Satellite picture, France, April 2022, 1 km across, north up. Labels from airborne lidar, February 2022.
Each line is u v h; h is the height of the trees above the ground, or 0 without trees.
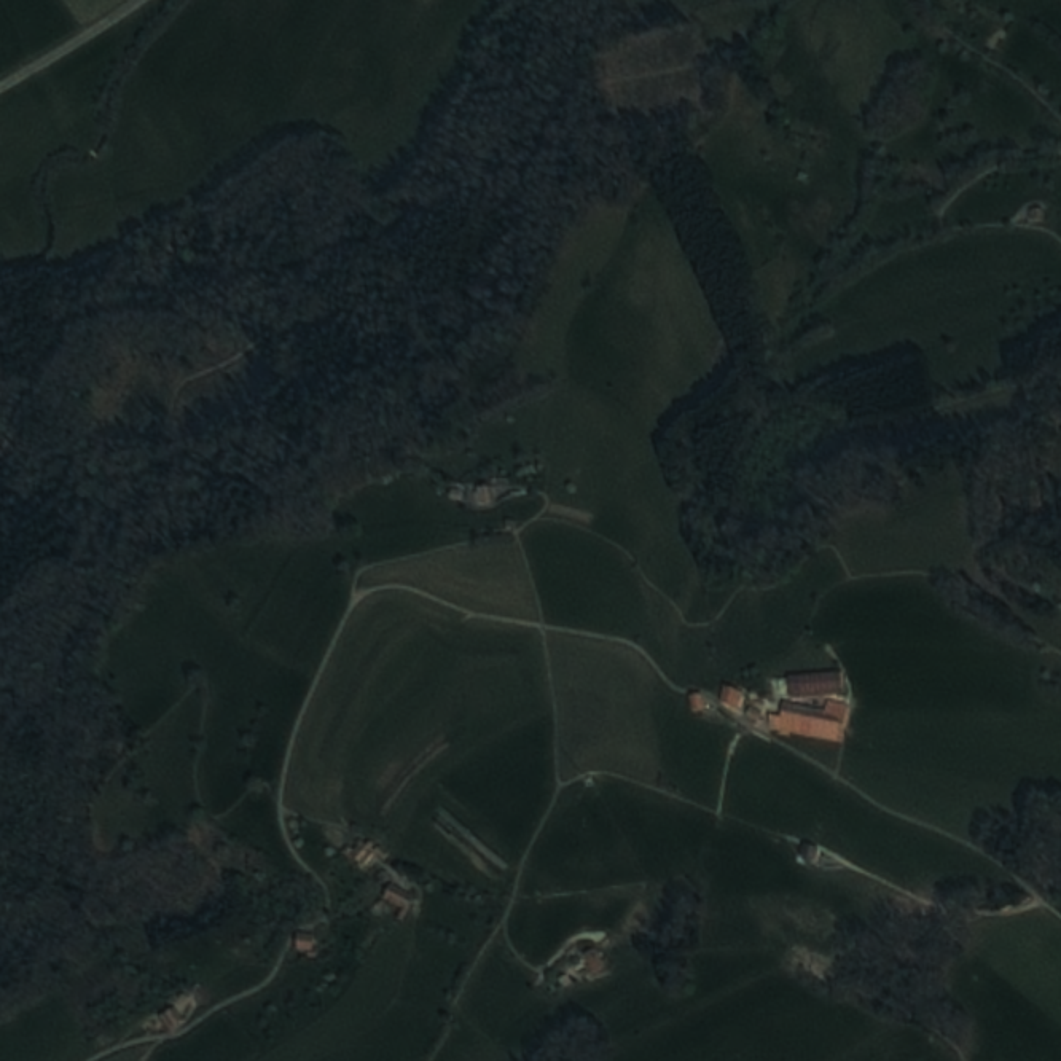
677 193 34
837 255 11
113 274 28
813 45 0
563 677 0
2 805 25
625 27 26
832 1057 0
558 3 31
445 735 0
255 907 13
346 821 0
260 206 31
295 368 22
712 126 16
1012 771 0
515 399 13
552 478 0
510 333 31
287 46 0
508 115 32
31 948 37
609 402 0
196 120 0
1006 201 0
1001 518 24
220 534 25
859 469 35
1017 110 0
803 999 0
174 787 0
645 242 0
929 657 0
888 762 0
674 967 23
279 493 28
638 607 0
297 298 29
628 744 0
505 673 0
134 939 20
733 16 0
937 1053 0
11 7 0
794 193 0
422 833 0
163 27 17
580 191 27
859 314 0
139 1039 0
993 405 0
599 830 0
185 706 0
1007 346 0
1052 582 14
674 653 0
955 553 0
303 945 0
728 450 33
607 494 0
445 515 0
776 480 9
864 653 0
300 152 30
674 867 0
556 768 0
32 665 33
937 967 28
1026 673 0
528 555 0
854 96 0
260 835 0
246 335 34
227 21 0
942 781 0
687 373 0
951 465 30
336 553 0
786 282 0
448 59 0
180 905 28
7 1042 0
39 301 26
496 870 0
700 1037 0
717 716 0
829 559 0
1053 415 28
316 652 0
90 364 31
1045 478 29
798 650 0
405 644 0
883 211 0
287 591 0
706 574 24
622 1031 0
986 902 30
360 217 31
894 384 19
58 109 0
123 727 18
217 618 0
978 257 0
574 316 0
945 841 0
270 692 0
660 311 0
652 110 0
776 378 25
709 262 28
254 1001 0
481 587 0
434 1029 0
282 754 0
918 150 0
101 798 14
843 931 0
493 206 30
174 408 0
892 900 0
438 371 42
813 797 0
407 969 0
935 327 0
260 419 34
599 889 0
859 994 25
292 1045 0
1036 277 0
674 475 24
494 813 0
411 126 0
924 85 21
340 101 0
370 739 0
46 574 34
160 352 33
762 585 14
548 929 0
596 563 0
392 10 0
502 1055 0
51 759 30
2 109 0
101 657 23
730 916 0
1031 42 0
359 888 10
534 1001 0
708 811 0
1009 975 0
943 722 0
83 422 30
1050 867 29
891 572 0
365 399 29
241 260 28
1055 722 0
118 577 29
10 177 0
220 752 0
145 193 0
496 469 13
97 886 25
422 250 33
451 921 0
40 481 29
